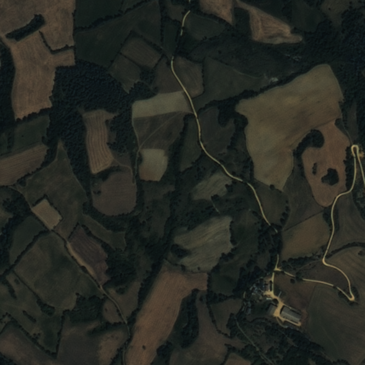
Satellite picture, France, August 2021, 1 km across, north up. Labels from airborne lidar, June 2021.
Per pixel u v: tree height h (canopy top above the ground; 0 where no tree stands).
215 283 0
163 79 0
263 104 0
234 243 15
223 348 0
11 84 8
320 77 0
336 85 0
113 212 0
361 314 0
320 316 0
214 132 0
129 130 12
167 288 0
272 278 0
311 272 0
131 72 0
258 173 0
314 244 0
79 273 0
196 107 0
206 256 0
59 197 0
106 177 8
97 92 21
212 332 0
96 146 0
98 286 9
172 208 10
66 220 0
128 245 13
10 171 0
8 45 0
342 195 0
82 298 7
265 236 13
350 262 0
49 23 0
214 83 0
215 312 0
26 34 8
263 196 0
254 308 7
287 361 8
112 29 0
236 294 10
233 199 0
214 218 0
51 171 0
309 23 0
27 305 0
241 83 0
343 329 0
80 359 0
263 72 0
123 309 0
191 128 0
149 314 0
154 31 0
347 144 0
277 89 0
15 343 0
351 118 0
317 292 0
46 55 0
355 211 0
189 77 0
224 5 0
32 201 0
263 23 0
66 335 0
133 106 0
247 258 0
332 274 0
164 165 0
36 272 0
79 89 15
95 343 0
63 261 0
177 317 0
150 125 0
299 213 0
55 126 15
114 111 10
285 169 0
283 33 0
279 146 0
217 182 0
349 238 0
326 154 0
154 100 0
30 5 0
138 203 7
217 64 0
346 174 9
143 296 15
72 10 0
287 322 0
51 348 0
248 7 0
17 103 0
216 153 0
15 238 0
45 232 8
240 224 0
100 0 0
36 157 0
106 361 0
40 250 0
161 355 6
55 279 0
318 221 0
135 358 0
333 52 7
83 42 0
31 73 0
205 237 0
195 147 0
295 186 0
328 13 0
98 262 0
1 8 0
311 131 6
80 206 0
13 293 7
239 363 0
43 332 0
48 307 9
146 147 0
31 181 0
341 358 0
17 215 8
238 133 13
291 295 0
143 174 0
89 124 0
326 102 0
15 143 0
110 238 0
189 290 0
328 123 0
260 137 0
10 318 9
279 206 0
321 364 8
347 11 6
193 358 0
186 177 0
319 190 0
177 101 0
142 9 0
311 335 0
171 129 0
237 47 0
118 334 0
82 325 0
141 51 0
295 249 0
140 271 0
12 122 16
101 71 17
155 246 10
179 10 0
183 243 0
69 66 0
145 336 0
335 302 0
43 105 0
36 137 0
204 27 0
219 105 11
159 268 20
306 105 0
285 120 0
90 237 13
